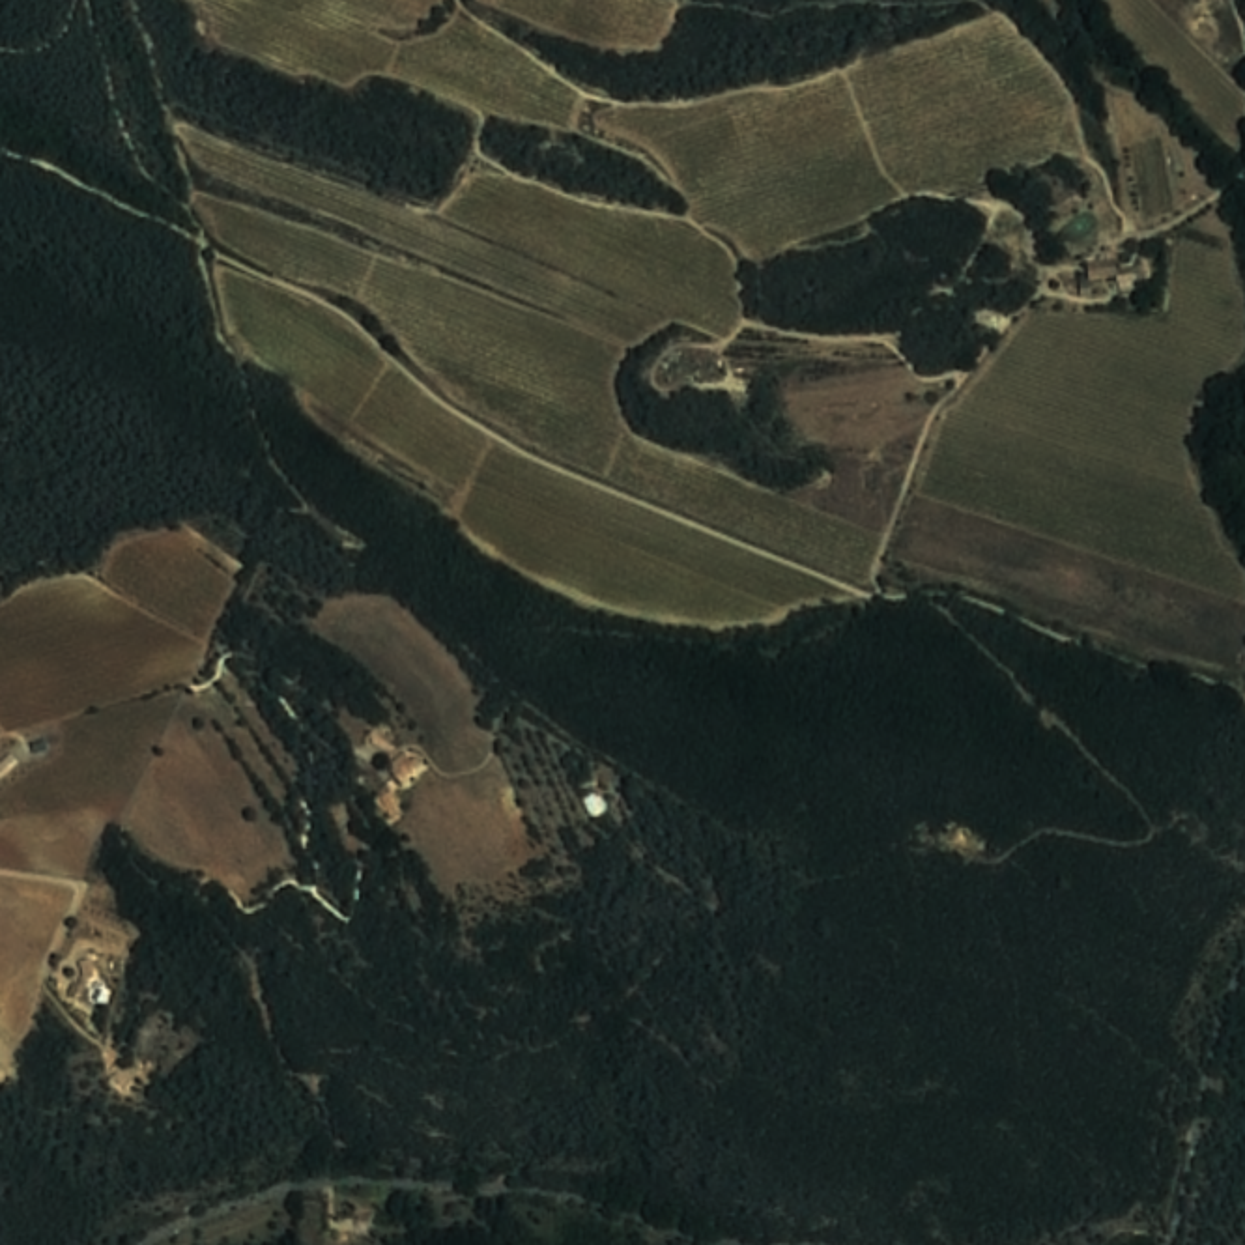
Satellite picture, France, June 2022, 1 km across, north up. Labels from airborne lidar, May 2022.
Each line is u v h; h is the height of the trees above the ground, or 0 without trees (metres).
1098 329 0
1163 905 6
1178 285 0
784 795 6
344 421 0
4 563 17
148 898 13
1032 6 20
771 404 12
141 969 16
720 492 0
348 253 0
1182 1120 9
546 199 0
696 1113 7
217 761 0
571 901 8
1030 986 6
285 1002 9
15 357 17
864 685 8
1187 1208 17
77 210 14
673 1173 9
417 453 0
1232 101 0
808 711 7
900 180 0
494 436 0
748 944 6
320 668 9
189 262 12
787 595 0
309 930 6
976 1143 7
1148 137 0
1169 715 7
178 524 24
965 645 9
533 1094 8
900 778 6
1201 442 18
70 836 0
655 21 0
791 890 13
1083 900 7
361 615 0
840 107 0
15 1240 8
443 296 0
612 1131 17
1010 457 0
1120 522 0
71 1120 7
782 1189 6
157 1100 19
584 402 0
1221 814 19
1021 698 6
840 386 0
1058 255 14
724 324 0
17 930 0
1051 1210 5
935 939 6
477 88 0
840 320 10
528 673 6
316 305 0
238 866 0
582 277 0
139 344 7
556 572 0
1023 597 0
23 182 15
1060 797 6
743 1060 6
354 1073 6
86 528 8
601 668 7
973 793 6
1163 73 17
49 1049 9
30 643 0
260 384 13
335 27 0
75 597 0
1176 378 0
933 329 7
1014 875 5
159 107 10
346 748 18
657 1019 8
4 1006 0
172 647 0
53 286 13
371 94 6
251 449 6
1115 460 0
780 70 13
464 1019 6
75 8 9
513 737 8
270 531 15
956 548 0
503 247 0
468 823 0
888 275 11
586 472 0
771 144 0
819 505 0
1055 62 14
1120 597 0
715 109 0
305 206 0
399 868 8
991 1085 6
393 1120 7
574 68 8
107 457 16
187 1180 8
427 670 0
